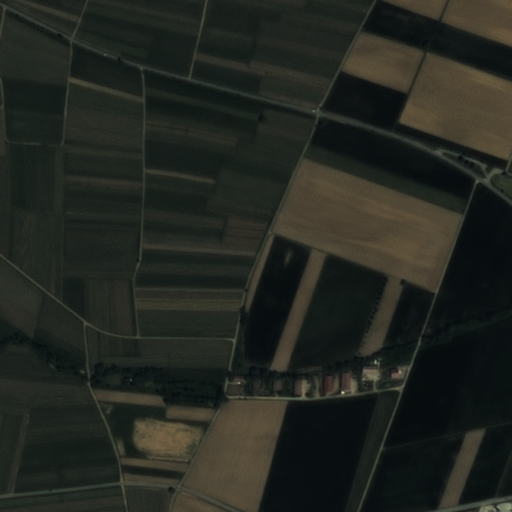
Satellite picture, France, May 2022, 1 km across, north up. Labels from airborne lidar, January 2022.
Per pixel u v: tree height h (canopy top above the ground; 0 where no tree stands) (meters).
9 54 0
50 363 8
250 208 0
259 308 0
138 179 0
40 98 0
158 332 0
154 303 0
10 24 0
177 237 0
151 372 14
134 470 0
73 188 0
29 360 0
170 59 0
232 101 0
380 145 0
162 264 0
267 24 0
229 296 0
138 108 0
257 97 0
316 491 0
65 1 0
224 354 0
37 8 0
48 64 0
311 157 0
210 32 0
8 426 0
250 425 0
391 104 0
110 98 0
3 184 0
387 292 0
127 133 0
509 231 0
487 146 0
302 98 0
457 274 0
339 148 0
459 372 0
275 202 0
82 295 0
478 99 0
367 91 0
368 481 0
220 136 0
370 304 0
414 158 0
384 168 0
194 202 0
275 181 0
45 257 0
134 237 0
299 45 0
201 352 0
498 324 0
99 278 0
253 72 0
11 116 0
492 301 0
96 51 0
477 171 0
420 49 0
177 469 0
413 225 0
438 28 0
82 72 0
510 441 0
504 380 0
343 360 0
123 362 0
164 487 0
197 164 0
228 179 0
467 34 0
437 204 0
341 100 0
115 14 0
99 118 0
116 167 0
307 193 0
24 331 0
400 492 0
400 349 8
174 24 0
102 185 0
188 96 0
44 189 0
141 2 0
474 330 0
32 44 0
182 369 0
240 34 0
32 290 0
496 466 0
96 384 9
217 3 0
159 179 0
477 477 0
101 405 0
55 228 0
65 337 0
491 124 0
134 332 0
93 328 0
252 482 0
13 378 0
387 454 0
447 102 0
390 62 0
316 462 0
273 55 0
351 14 0
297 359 0
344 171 0
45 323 0
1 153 0
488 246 0
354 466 0
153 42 0
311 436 0
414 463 0
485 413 0
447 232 0
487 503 0
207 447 0
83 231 0
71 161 0
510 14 0
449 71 0
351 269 0
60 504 0
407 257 0
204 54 0
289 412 0
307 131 0
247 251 0
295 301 0
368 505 0
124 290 0
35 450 0
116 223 0
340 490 0
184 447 0
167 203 0
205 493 0
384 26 0
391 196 0
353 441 0
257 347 0
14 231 0
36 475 0
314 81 0
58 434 0
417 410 0
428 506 0
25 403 0
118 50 0
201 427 0
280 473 0
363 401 0
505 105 0
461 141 0
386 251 0
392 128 0
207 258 0
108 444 0
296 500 0
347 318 0
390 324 0
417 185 0
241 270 0
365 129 0
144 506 0
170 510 0
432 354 0
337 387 0
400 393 0
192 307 0
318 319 0
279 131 0
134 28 0
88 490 0
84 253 0
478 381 0
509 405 0
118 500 0
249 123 0
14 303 0
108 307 0
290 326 0
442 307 0
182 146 0
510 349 0
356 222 0
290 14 0
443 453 0
